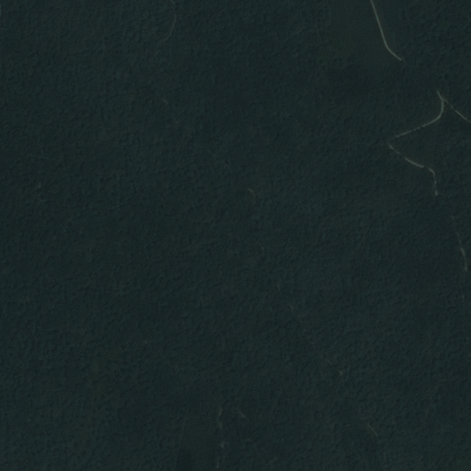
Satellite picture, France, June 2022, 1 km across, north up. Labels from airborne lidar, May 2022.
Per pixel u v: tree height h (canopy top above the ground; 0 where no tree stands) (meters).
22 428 19
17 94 30
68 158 27
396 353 20
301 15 19
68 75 15
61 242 24
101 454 26
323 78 16
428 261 16
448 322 16
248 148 21
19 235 11
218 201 24
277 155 23
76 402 10
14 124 19
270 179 23
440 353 10
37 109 16
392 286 13
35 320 22
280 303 17
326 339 16
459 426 22
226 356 10
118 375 15
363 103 10
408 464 20
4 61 19
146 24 15
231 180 20
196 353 23
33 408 18
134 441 21
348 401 18
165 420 21
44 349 15
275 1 18
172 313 22
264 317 16
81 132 18
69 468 20
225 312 30
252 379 7
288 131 25
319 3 14
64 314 18
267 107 23
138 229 18
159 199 20
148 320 20
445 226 23
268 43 20
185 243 22
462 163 13
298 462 24
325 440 22
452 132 12
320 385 23
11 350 23
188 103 24
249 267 18
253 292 23
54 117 21
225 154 21
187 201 16
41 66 23
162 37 11
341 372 15
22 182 19
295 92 24
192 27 26
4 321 22
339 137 15
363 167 19
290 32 20
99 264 20
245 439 22
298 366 12
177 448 15
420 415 17
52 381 7
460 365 15
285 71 22
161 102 20
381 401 9
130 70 20
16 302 23
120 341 23
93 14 12
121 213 22
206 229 21
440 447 16
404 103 9
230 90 22
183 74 21
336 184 18
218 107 22
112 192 18
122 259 21
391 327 8
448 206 16
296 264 17
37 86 23
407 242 12
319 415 21
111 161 28
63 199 15
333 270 24
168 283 21
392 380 11
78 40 12
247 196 23
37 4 13
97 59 25
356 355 14
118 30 17
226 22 20
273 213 9
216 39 19
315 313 13
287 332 18
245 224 19
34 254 25
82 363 20
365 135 14
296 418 23
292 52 18
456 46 23
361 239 16
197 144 23
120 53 21
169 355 21
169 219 21
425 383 16
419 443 20
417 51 13
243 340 8
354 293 16
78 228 19
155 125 23
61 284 17
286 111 24
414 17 14
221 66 22
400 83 11
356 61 7
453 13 24
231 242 23
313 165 7
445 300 17
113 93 19
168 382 25
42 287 15
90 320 19
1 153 20
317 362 22
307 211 12
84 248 19
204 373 22
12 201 23
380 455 15
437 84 16
